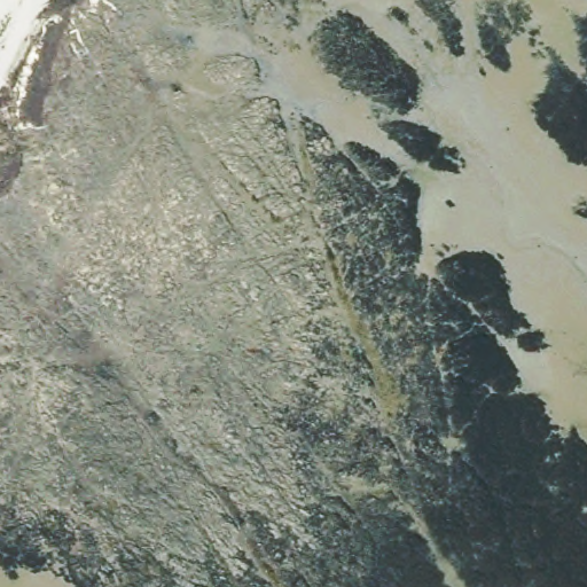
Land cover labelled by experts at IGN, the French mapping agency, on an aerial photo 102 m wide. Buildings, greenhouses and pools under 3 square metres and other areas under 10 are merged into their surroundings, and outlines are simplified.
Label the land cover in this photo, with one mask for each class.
<instances>
[{"label":"bare soil","instance_id":"1","mask_svg":"<svg viewBox=\"0 0 587 587\"><path fill-rule=\"evenodd\" d=\"M578 16H587V0H83L71 7L69 28L60 23V14L39 18L37 32L25 37V48L21 50V60L11 69L7 85L0 87V154L16 144L25 147L23 167L18 177L11 181V188L5 195H0V587H346L355 578H365L371 571V548L360 541V534L369 530V523L365 518L367 511L388 516L392 511L408 514L410 530L424 539L429 555L443 573L447 587H465L456 569L440 553L436 537L424 523L420 509L415 507L426 495L417 491V477L436 479V475L420 465L415 454L422 452L433 456L438 463L452 465L454 449L465 447V443L461 440L463 431L456 429V422L452 417L454 397L459 392V374L456 369H445L443 362L449 346L436 342L431 296L433 291L438 294L449 289L447 280L438 271V264L459 252H488L502 264L514 310L525 314L532 328L541 330L546 339V349L541 351H523L516 339L500 335L498 344L509 353L521 376L516 394H537L546 406V415L550 417V422L557 424V433L562 438H569V431L576 429L578 436L587 443V165L571 163L566 154L559 149V144L537 124L534 101L548 85L550 64L564 62V66L573 71L578 78L587 71V69L580 57V37L573 21ZM388 122H413L438 133L443 147L459 149V172L433 170L429 163L408 156L404 147L390 140L383 131Z\"/></svg>","mask_w":587,"mask_h":587},{"label":"herbaceous vegetation","instance_id":"2","mask_svg":"<svg viewBox=\"0 0 587 587\"><path fill-rule=\"evenodd\" d=\"M83 0H48V5L37 14L39 18L60 14V23L69 28L71 7ZM580 37V57L587 69V16H578L573 21ZM537 124L559 144V149L566 154L571 163L587 165V71L578 78L573 71L564 66V62L550 64L548 85L534 101ZM383 131L390 140L404 147L408 156L429 163L433 170L459 172V149L443 147L438 133L413 122H388ZM25 147L16 144L0 154V195H5L11 188V181L18 177L23 167ZM438 271L447 280L449 289L438 294L433 291L431 296L436 342L449 346L443 362L445 369H456L459 374V392L454 397L452 417L456 422V429L463 431L461 440L465 443V447L454 449L452 465L438 463L433 456L422 452L415 454L420 465L436 475V479L417 477V491L426 495L415 507L420 509L424 523L436 537L440 553L456 569L465 587H587V443L578 436L576 429L569 431V438H562L557 433V424L550 422V417L546 415V406L537 394H516L521 376L509 353L498 344L500 335L516 339L523 351H541L546 349V339L541 330L532 328L525 314L514 310L502 264L488 252H459L438 264ZM365 518L369 523V530L360 534V541L371 548V571L365 578H355L346 587H447L443 573L429 555L424 539L410 530L408 514L392 511L388 516L367 511Z\"/></svg>","mask_w":587,"mask_h":587},{"label":"pervious surface","instance_id":"3","mask_svg":"<svg viewBox=\"0 0 587 587\"><path fill-rule=\"evenodd\" d=\"M48 5V0H0V87L7 85L11 69L21 60V50L25 48V37L37 32L39 18L37 14Z\"/></svg>","mask_w":587,"mask_h":587}]
</instances>
